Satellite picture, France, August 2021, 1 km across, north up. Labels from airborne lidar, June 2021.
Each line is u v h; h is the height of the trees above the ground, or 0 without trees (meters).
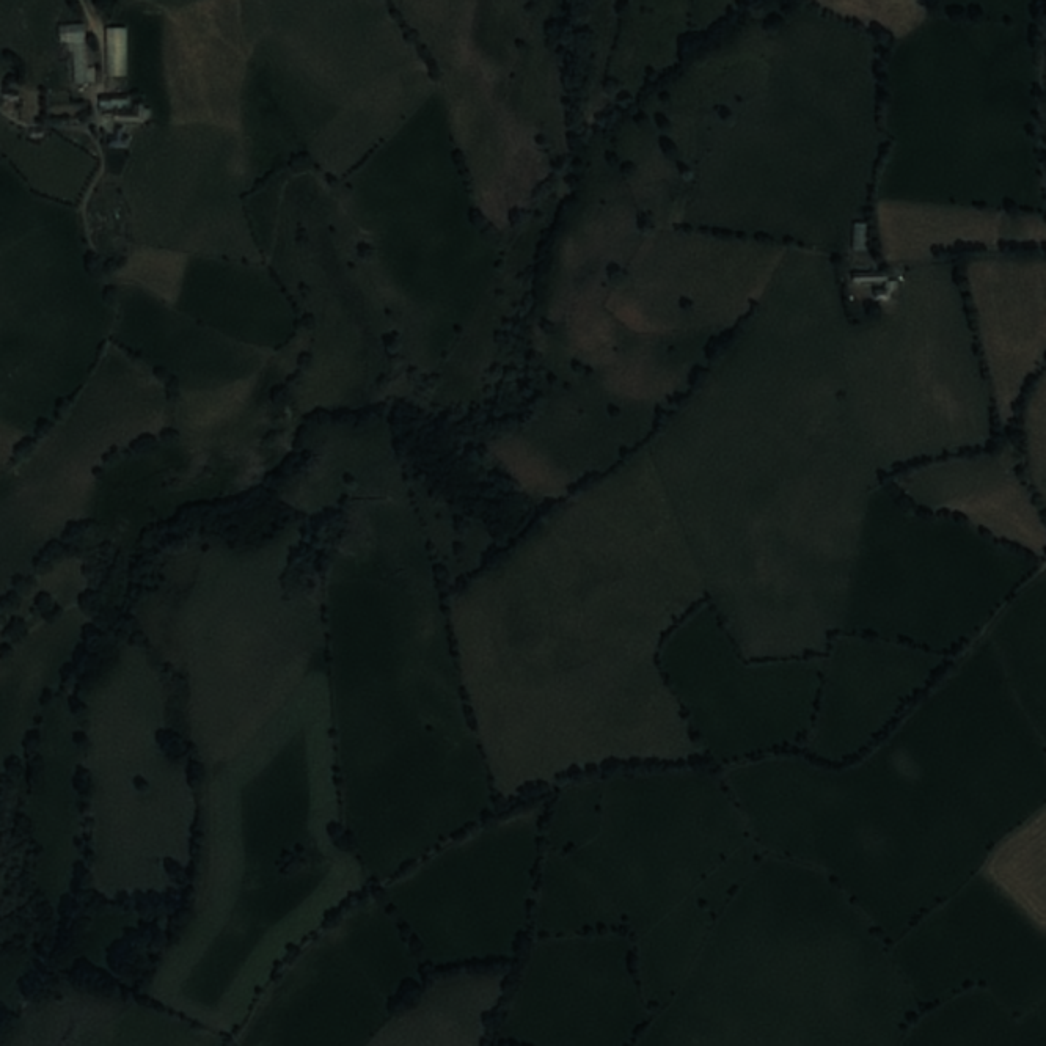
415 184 0
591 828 0
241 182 0
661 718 0
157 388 0
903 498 16
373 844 0
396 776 0
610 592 0
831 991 0
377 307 0
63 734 0
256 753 0
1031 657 0
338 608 0
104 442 0
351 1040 0
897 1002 0
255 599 0
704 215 0
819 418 0
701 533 0
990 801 0
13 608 12
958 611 0
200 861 8
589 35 17
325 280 0
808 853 0
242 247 0
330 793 0
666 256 0
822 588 0
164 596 0
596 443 0
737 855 0
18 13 0
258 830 0
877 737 8
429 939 0
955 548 0
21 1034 0
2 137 0
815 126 0
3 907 14
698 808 0
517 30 0
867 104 0
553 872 0
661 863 0
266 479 12
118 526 0
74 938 21
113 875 0
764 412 0
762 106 0
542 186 10
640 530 0
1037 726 0
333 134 0
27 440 8
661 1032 0
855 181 0
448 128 0
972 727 0
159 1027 0
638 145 0
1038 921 0
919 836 0
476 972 11
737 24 19
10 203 0
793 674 0
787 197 0
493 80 0
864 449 0
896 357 0
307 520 7
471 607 0
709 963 0
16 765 16
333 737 10
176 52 0
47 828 0
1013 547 13
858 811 0
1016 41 0
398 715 0
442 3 0
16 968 0
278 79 0
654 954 0
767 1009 0
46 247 0
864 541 0
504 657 0
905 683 0
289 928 0
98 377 0
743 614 0
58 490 0
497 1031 11
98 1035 0
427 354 0
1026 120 0
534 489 0
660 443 0
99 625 19
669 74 12
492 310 0
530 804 13
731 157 0
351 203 0
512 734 0
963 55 0
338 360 0
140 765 0
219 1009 0
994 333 0
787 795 0
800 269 0
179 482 11
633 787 0
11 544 0
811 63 0
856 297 0
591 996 0
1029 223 0
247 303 0
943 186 0
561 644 0
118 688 0
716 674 0
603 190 0
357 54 0
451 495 17
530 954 9
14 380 0
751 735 0
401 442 16
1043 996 0
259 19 0
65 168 0
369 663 0
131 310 0
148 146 0
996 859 0
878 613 0
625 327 0
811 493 0
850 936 0
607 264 0
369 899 14
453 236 0
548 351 0
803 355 0
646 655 0
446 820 0
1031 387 13
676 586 0
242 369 0
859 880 0
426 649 0
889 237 0
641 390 0
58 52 0
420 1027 0
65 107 0
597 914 0
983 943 0
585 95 19
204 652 0
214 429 0
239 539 12
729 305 0
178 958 0
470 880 0
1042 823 0
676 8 0
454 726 0
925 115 0
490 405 12
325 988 0
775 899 0
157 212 0
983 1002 0
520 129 0
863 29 9
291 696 0
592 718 0
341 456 0
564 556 0
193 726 0
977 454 12
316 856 0
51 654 0
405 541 0
